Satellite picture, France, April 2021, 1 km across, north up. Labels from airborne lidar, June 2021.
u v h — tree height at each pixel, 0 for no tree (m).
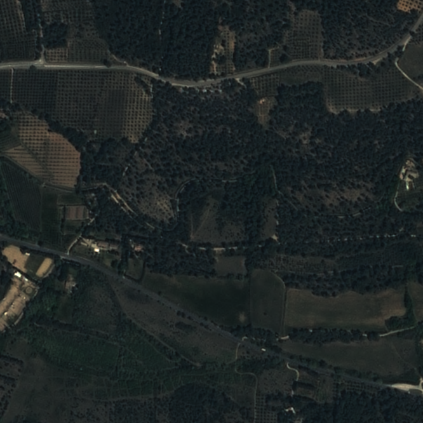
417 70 0
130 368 9
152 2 13
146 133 8
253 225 17
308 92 16
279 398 9
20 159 0
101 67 0
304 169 9
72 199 0
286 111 9
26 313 18
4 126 17
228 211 23
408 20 9
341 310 0
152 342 11
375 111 0
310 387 14
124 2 10
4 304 0
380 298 0
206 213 0
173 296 0
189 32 15
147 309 0
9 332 16
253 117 16
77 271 8
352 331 7
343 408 13
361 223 14
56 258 12
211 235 0
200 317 8
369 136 14
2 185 16
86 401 0
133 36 7
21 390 0
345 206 16
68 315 0
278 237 9
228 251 8
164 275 18
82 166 14
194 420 10
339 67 9
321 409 21
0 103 17
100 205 15
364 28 13
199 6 11
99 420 7
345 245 17
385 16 13
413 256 6
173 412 8
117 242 10
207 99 6
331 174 12
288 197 17
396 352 0
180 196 10
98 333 9
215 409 16
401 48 13
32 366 0
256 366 7
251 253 12
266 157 19
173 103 11
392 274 14
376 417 17
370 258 7
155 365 8
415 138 17
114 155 16
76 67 0
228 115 12
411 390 0
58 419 0
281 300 0
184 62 14
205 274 15
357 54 8
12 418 0
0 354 5
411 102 12
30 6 9
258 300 0
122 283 8
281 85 0
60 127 14
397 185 15
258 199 22
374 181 15
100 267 0
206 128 9
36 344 11
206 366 15
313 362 9
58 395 0
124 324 8
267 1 10
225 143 12
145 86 11
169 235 16
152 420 11
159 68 7
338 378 11
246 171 16
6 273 14
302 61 0
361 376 17
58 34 12
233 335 12
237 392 0
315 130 9
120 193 15
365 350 0
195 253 14
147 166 9
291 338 14
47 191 0
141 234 12
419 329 8
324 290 13
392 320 8
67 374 0
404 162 8
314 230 16
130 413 8
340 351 0
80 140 18
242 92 12
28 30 10
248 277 8
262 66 5
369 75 15
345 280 18
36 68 11
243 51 10
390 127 12
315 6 15
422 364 0
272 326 0
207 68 13
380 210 8
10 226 8
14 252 0
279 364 7
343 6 12
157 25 7
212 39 16
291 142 13
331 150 9
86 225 9
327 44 13
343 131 9
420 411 14
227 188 12
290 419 20
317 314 0
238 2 13
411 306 12
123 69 0
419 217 21
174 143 12
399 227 19
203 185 18
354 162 10
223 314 0
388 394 17
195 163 14
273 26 11
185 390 9
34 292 0
